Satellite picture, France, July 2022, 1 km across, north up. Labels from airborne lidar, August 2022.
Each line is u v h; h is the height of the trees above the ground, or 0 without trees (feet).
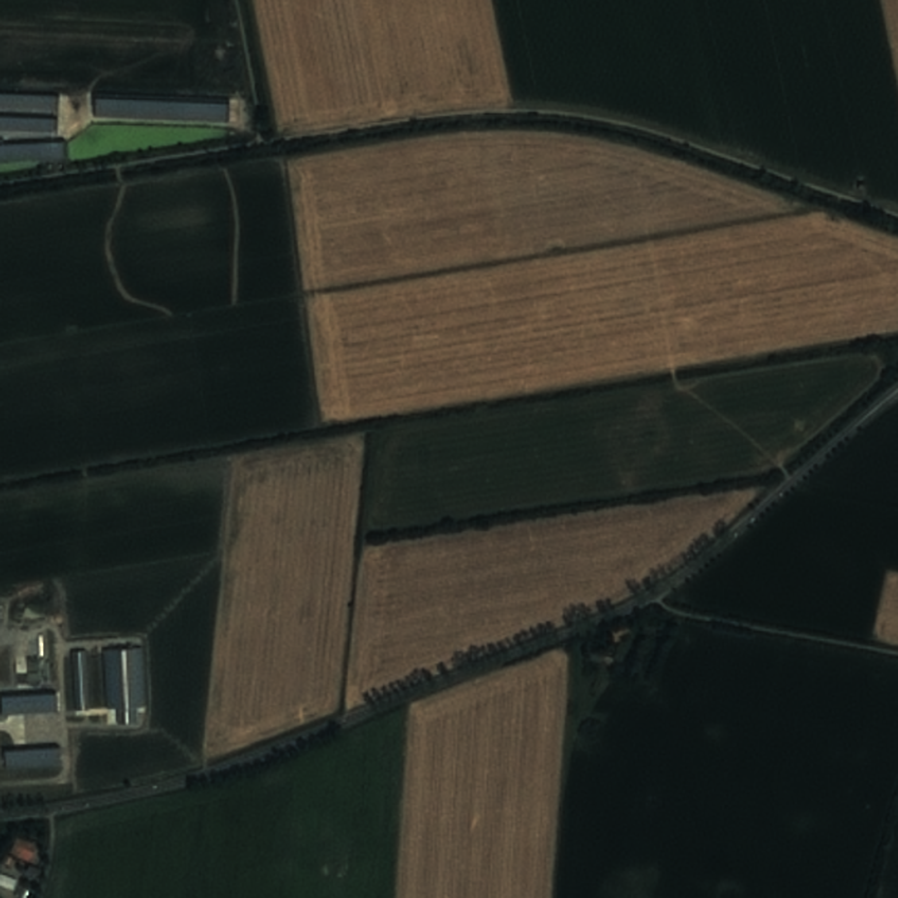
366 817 0
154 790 0
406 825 0
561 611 0
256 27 0
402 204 0
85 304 0
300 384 0
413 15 0
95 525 0
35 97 0
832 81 0
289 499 0
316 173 0
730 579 0
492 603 0
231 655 0
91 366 0
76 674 0
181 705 0
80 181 33
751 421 0
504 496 0
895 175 0
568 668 0
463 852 0
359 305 0
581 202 0
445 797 0
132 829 0
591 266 0
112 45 0
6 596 0
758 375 0
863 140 0
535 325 0
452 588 0
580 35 0
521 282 0
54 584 0
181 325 0
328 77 0
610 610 71
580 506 21
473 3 0
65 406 0
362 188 0
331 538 0
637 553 0
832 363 0
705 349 0
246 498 0
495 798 0
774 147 0
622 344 0
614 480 0
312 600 0
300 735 0
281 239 0
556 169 0
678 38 0
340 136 21
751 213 0
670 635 59
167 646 0
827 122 0
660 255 0
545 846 0
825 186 0
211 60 0
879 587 0
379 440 0
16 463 0
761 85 0
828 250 0
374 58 0
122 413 0
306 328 0
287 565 0
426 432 0
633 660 54
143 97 0
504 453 0
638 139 22
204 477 0
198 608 0
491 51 0
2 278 0
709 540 66
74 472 31
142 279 0
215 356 0
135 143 0
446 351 0
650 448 0
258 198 0
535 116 21
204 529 0
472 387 0
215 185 0
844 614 0
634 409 0
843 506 0
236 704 0
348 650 0
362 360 0
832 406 0
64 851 0
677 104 0
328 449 0
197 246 0
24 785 0
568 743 0
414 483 0
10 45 0
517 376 0
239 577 0
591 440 0
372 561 0
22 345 0
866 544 0
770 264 0
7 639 0
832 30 0
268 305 0
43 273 0
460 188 0
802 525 0
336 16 0
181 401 0
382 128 21
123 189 0
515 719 0
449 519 37
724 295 0
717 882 0
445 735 0
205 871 0
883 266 0
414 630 0
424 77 0
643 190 0
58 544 0
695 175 0
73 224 0
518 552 0
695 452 0
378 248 0
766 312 0
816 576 0
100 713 0
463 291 0
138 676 0
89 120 0
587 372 0
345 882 0
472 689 0
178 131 0
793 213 0
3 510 0
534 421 0
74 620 0
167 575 0
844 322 0
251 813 0
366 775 0
